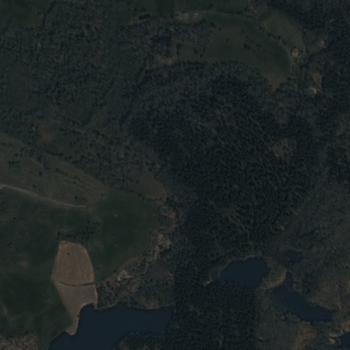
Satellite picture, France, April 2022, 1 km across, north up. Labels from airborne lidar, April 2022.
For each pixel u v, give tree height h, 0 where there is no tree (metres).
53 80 13
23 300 0
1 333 12
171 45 20
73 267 0
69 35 20
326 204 29
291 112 20
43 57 16
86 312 0
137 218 0
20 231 0
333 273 18
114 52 22
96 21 22
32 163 0
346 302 20
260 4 16
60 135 0
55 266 0
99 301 10
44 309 0
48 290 0
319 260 20
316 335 0
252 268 0
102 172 18
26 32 24
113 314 0
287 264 18
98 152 6
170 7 0
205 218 26
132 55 21
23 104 24
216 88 29
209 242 23
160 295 18
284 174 30
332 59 20
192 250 20
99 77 20
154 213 0
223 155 26
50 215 0
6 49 18
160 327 0
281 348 26
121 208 0
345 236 20
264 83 18
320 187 31
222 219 30
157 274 0
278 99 24
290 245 18
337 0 20
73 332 0
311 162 30
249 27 0
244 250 22
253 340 31
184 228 19
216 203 27
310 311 0
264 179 30
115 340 0
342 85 26
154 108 23
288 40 0
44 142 0
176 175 27
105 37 20
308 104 22
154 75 22
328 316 0
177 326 18
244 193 30
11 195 0
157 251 0
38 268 0
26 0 12
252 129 24
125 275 0
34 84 25
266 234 16
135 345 20
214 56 0
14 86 20
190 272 29
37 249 0
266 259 15
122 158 8
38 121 17
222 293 25
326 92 18
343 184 33
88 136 17
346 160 8
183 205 11
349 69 22
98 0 22
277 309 18
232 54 0
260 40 0
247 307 26
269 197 27
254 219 30
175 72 22
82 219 0
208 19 0
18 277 0
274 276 16
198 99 17
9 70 24
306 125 32
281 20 0
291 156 26
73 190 0
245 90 18
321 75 11
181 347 23
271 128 28
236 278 0
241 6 0
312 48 21
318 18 20
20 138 14
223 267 13
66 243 0
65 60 6
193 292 27
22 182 0
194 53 0
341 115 26
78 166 14
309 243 13
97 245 0
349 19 21
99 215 0
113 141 8
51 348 0
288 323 19
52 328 0
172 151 27
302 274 16
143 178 0
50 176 0
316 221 24
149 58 16
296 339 27
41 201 0
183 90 23
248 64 0
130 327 0
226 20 0
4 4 20
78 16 15
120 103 20
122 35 23
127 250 0
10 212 0
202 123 16
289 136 25
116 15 7
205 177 27
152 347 18
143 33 20
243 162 27
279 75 0
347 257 17
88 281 0
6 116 18
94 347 0
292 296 0
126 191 9
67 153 0
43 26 9
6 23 0
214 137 31
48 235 0
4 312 0
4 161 0
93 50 10
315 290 16
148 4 0
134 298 14
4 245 0
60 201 0
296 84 22
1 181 0
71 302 0
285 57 0
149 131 26
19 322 0
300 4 8
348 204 24
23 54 20
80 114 20
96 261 0
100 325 0
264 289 13
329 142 27
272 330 23
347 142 21
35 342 0
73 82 19
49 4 0
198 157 22
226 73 13
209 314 26
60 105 18
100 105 7
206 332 25
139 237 0
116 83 20
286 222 24
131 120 30
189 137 22
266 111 22
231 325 25
